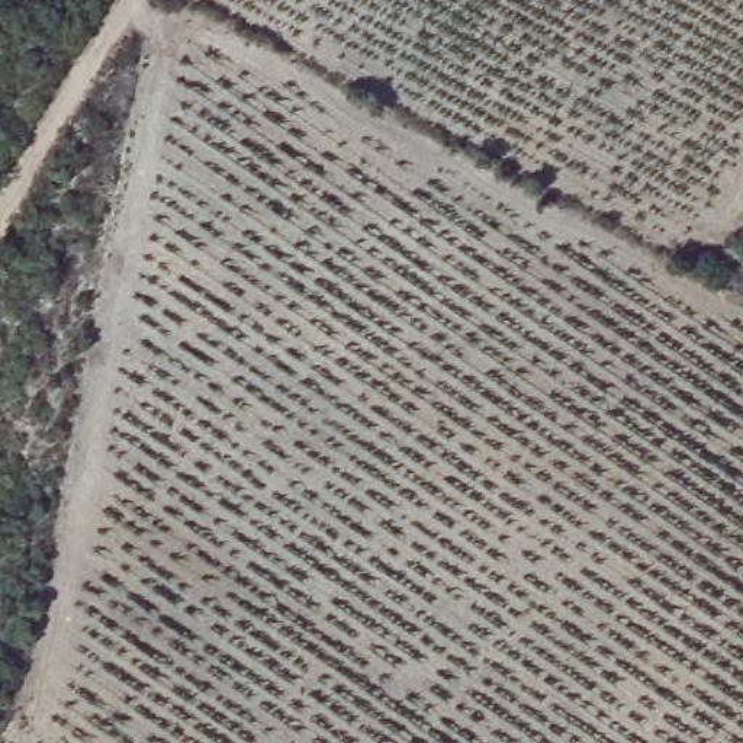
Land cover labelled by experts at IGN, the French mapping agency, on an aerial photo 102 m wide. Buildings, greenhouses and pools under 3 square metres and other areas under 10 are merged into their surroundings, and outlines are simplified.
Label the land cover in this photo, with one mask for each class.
<instances>
[{"label":"vineyard","instance_id":"1","mask_svg":"<svg viewBox=\"0 0 743 743\"><path fill-rule=\"evenodd\" d=\"M229 12L241 15L250 23L279 32L293 46L316 58L319 64L348 75L351 90H337L319 75L290 64L284 55L235 35L226 23H218L206 12L192 9L189 3L183 9L165 12L154 0H148V6L134 20L136 32L142 35L139 84L134 110L122 128L119 142L122 177L113 189H107L110 215L104 218L96 244L102 253V267L78 276V287L96 293L93 322L99 325V342L81 354V403L73 415V435L55 520V601L49 607V624L41 641L35 644L26 682L15 699V714L6 726H0V743H743V293L711 290L691 276H673L668 273V264L665 258H656L633 247L630 241L612 235L598 223L583 221L569 209H546L537 206V200L525 189L496 177V171L479 168L470 157L444 148L432 136L401 125V119L389 107L401 102L412 107L418 116L438 125L459 136H467L470 142L502 139L508 145V157L517 160L525 171H534L537 189L549 183H554V189L578 194L583 203L601 212H618L621 221L639 229L644 238L676 247V261H711L714 267L734 276L740 264L720 247V241H726V235L734 229H743V0H232Z\"/></svg>","mask_w":743,"mask_h":743},{"label":"brushwood","instance_id":"2","mask_svg":"<svg viewBox=\"0 0 743 743\"><path fill-rule=\"evenodd\" d=\"M165 12L183 9L189 3L192 9L206 12L218 23H226L235 35L284 55L293 46L279 32L250 23L241 15L229 12L232 0H154ZM75 61L64 49H17L6 29L0 32V192L12 183V174L17 171L23 151L35 142L41 119L55 102ZM142 35L136 32H128L99 67L93 87L87 90L78 110L61 128L52 151L46 154L44 165L32 180L26 200L20 203V212L12 215L9 229L0 238V726H6L15 714V699L26 682L35 644L41 641L49 624V607L55 601V520L73 435V415L81 403V354L99 342V325L93 322L96 293L78 287V276L102 267V253L96 244L104 218L110 215L107 189H113L122 177L119 142L122 128L134 110L139 84ZM444 148L470 157L479 168L496 171V177L525 189L537 200L554 189V183H549L537 189L534 171H525L517 160L508 157V145L502 139L470 142L467 136H459L438 125L432 136Z\"/></svg>","mask_w":743,"mask_h":743},{"label":"deciduous trees","instance_id":"3","mask_svg":"<svg viewBox=\"0 0 743 743\"><path fill-rule=\"evenodd\" d=\"M110 0H0V32L6 29L17 49H64L75 61L104 26ZM720 247L740 264L734 276L714 267L711 261H676L668 264V273L673 276H691L711 290L743 293V229H734L726 235V241H720Z\"/></svg>","mask_w":743,"mask_h":743},{"label":"pervious surface","instance_id":"4","mask_svg":"<svg viewBox=\"0 0 743 743\"><path fill-rule=\"evenodd\" d=\"M148 6V0H110L104 26L75 61L55 102L41 119L35 142L23 151L17 171L12 174V183L0 192V238L9 229L12 215L20 212V203L26 200L32 180L44 165L46 154L52 151L61 128L78 110L87 90L93 87L99 67L128 32H136L134 20Z\"/></svg>","mask_w":743,"mask_h":743},{"label":"herbaceous vegetation","instance_id":"5","mask_svg":"<svg viewBox=\"0 0 743 743\"><path fill-rule=\"evenodd\" d=\"M290 64L319 75L337 90H351L348 75L319 64L316 58L293 46L284 55ZM401 119V125L432 136L438 125L418 116L412 107L401 102L389 107ZM537 206L546 209H569L583 221L598 223L612 235L630 241L633 247L656 258H665L668 264L676 261V247L644 238L639 229L621 221L618 212H601L583 203L578 194L554 189L537 200Z\"/></svg>","mask_w":743,"mask_h":743}]
</instances>
